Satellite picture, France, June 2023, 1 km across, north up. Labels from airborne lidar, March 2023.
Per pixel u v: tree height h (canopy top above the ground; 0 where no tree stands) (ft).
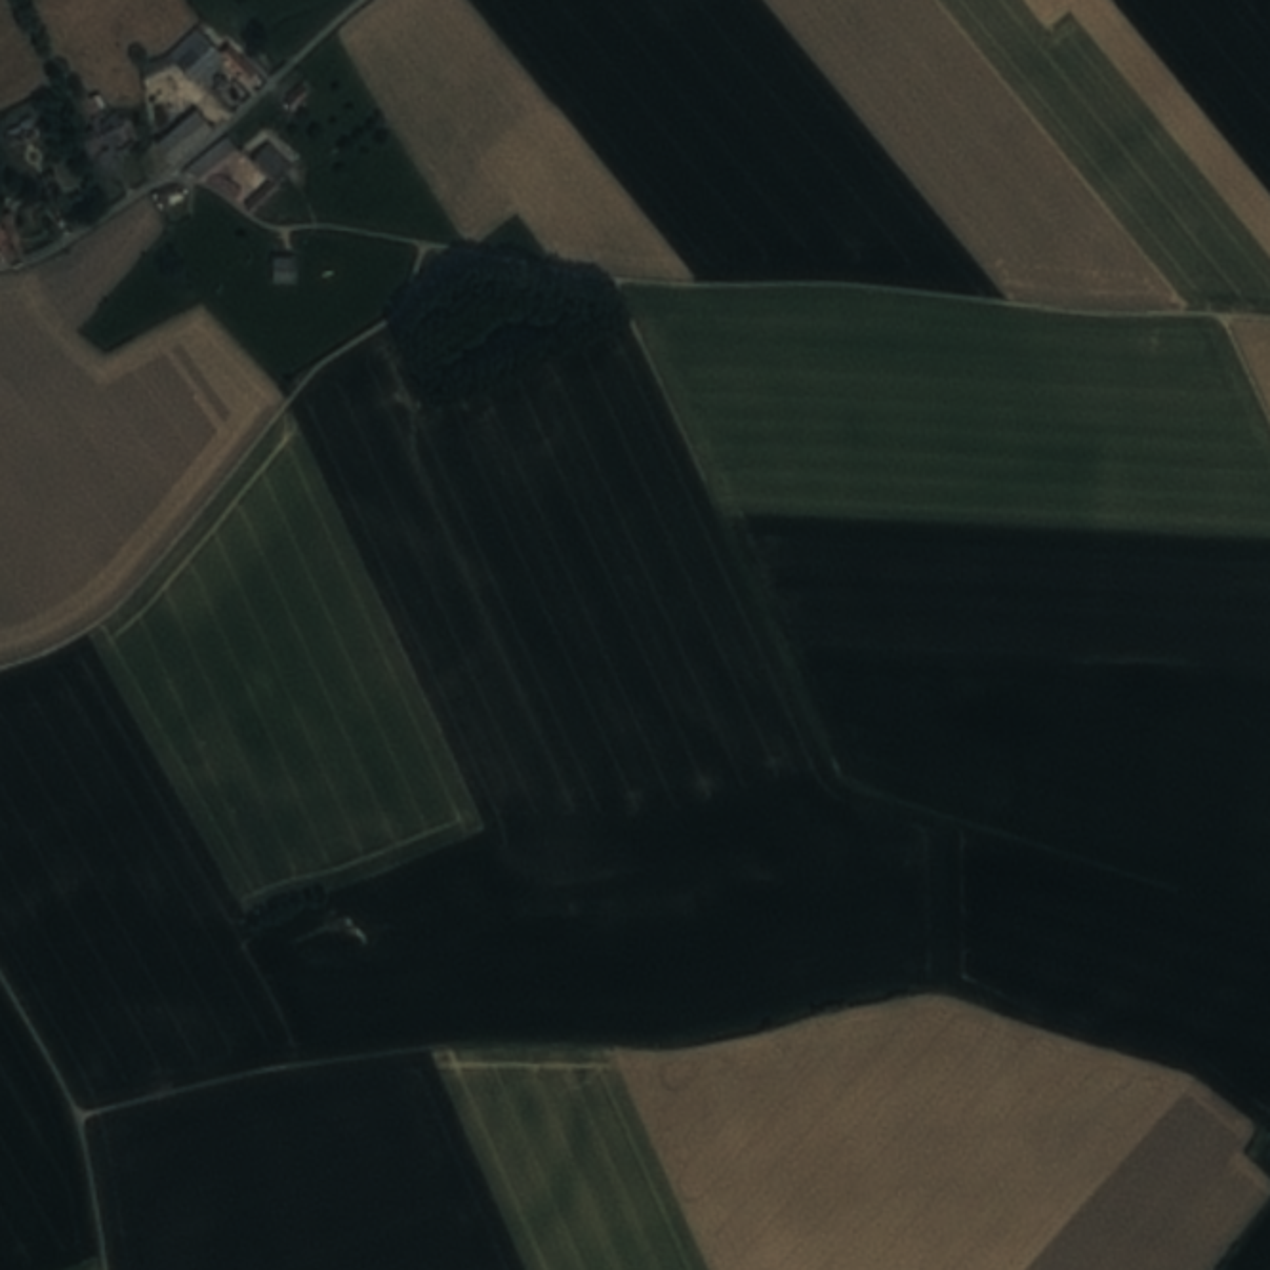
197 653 0
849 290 0
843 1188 0
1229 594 0
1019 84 0
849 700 0
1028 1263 0
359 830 0
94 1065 0
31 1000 0
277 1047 0
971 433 0
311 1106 0
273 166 0
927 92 0
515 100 0
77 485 0
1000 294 0
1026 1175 0
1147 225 0
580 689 0
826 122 0
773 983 0
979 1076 0
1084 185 0
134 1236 0
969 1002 0
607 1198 0
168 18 0
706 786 0
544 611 0
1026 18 0
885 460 0
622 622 0
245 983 0
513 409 0
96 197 46
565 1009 0
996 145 0
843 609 0
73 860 0
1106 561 0
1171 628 0
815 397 0
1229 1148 0
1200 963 0
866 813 0
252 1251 0
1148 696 0
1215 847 0
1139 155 0
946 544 0
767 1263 0
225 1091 0
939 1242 0
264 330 0
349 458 0
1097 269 0
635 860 0
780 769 0
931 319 0
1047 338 0
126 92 0
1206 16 0
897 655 0
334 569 0
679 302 0
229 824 0
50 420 0
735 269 0
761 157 0
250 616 0
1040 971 0
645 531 0
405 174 0
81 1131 0
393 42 0
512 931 0
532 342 96
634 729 0
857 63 0
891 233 0
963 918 0
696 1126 0
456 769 0
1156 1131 0
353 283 0
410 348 97
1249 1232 0
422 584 0
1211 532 0
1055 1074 0
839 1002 18
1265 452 0
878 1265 0
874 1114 0
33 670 0
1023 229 0
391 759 0
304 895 33
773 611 0
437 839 0
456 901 0
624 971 0
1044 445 0
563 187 0
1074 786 0
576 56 0
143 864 0
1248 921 0
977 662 0
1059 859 0
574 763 0
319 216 0
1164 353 0
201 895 0
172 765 0
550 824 0
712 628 0
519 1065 0
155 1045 0
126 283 0
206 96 0
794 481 0
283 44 0
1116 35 0
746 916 0
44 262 0
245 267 0
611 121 0
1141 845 0
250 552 0
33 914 0
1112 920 0
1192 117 0
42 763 0
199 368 0
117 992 0
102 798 0
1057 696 0
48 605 0
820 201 0
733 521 0
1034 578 0
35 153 0
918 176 0
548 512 0
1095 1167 0
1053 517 0
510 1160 0
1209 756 0
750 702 0
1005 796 0
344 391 0
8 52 0
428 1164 0
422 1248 0
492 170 0
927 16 0
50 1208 0
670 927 0
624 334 0
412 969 0
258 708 0
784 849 0
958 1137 0
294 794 0
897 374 0
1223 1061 0
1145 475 0
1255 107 0
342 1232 0
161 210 0
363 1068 0
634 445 0
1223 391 0
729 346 0
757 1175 0
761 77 0
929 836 0
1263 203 0
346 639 0
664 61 0
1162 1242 0
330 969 0
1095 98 0
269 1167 0
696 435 0
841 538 0
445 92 0
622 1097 0
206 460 0
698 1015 0
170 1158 0
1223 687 0
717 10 0
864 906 0
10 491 0
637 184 0
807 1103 0
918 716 0
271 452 0
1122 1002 0
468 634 0
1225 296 0
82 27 0
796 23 0
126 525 0
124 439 0
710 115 0
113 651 0
